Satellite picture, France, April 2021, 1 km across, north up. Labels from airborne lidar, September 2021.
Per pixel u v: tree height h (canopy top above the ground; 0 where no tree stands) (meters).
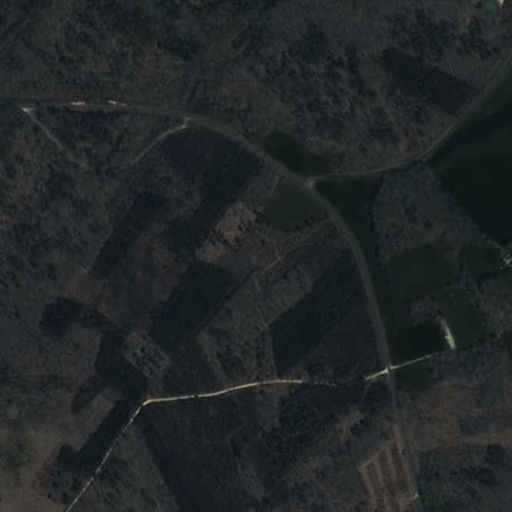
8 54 22
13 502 0
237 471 14
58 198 25
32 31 21
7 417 0
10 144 21
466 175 0
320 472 6
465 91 10
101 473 12
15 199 7
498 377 17
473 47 21
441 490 20
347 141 18
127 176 6
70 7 15
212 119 0
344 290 8
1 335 10
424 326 0
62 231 18
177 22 26
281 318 10
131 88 17
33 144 18
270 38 17
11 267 21
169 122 15
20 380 6
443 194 22
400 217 20
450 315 0
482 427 19
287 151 0
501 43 7
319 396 23
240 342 14
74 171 20
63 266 15
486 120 0
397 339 0
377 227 22
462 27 14
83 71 19
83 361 12
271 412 13
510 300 24
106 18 23
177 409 6
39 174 14
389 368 0
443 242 0
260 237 7
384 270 12
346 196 0
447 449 11
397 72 11
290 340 10
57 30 14
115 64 25
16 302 15
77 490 18
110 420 10
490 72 13
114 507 17
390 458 0
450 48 25
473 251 0
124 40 23
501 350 20
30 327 11
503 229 0
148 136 20
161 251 6
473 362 20
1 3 6
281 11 24
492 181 0
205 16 16
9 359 9
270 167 6
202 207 8
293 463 10
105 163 15
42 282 21
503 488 20
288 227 0
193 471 6
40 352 9
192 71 20
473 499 26
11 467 0
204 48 24
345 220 0
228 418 7
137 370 9
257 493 14
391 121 20
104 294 6
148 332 9
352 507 16
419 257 0
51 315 10
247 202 10
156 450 9
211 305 11
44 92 22
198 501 6
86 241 18
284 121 19
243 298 16
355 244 0
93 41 19
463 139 0
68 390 0
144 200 9
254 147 0
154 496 15
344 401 14
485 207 0
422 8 22
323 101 19
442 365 15
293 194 0
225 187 8
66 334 9
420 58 15
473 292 14
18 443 0
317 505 14
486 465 11
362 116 16
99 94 21
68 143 26
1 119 24
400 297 0
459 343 0
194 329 9
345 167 20
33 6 25
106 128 18
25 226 12
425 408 23
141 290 6
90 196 18
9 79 22
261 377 12
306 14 20
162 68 11
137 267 7
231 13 21
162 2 19
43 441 0
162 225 7
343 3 26
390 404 18
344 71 23
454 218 16
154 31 23
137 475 16
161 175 7
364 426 15
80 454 10
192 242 8
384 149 19
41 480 7
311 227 21
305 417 23
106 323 9
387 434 17
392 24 24
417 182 15
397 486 0
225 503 6
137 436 17
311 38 15
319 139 19
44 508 0
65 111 9
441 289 0
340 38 18
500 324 24
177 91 11
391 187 21
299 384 8
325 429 8
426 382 0
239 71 12
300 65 21
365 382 13
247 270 10
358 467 17
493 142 0
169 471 10
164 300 6
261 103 18
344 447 15
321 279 8
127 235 10
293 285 20
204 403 7
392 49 9
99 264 10
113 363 10
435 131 16
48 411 0
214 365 11
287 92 26
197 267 8
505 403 15
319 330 10
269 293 11
